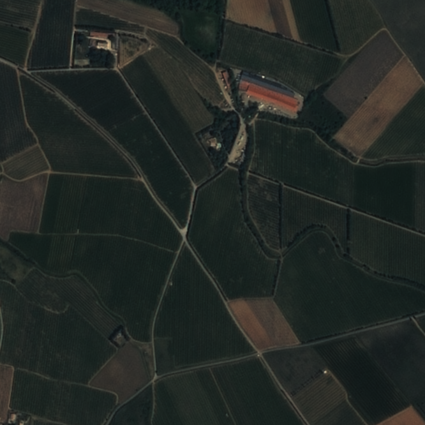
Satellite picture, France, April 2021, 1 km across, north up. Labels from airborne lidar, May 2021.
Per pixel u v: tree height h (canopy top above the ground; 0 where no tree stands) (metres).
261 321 0
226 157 9
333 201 7
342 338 0
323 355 0
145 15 0
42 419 0
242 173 16
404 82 0
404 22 0
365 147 0
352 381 0
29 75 9
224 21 11
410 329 0
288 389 0
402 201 0
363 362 0
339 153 0
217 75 0
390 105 0
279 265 8
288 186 8
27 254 0
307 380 0
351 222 10
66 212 0
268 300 0
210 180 7
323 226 8
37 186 0
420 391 0
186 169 9
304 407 0
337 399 0
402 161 0
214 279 6
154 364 0
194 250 7
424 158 0
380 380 0
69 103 0
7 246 0
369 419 0
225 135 12
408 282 12
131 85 8
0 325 0
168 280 0
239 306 0
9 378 0
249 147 14
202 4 19
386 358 0
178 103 0
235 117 10
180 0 18
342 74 0
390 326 0
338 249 12
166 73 0
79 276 0
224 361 0
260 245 11
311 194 10
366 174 0
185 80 0
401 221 0
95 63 18
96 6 0
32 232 0
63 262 0
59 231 0
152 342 0
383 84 0
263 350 0
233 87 12
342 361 0
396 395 0
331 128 9
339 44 14
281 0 0
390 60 0
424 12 0
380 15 0
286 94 0
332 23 12
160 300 0
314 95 10
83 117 8
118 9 0
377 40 0
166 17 0
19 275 0
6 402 0
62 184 0
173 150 9
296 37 0
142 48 0
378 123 0
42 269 0
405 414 0
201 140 11
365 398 0
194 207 6
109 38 11
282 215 8
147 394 0
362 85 0
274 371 0
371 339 0
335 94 0
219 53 11
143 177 0
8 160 0
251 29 11
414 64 0
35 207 0
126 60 0
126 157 7
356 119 0
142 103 9
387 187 0
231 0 0
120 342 0
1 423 0
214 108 17
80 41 11
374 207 0
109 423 0
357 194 0
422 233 10
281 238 10
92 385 0
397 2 0
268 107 0
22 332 0
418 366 0
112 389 0
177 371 0
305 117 0
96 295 0
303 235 12
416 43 0
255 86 0
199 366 0
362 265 0
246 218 7
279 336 0
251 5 0
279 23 0
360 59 0
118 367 0
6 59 6
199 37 0
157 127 8
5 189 0
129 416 0
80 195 0
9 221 0
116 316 0
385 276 11
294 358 0
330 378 0
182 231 0
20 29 8
